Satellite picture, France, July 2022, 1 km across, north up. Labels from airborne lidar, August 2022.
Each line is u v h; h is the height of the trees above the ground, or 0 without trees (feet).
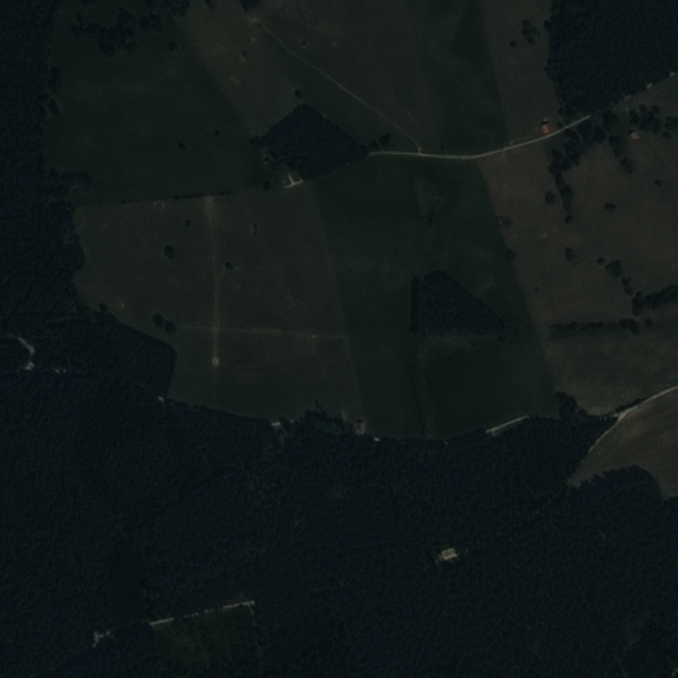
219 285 0
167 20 0
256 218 0
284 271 0
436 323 85
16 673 95
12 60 61
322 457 63
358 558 85
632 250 0
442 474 99
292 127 84
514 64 0
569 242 0
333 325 0
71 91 0
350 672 54
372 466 64
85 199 0
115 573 20
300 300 0
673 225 0
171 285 0
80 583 100
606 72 87
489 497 86
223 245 0
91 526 90
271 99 0
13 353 52
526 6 0
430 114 0
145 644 81
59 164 0
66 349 68
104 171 0
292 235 0
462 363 0
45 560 99
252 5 42
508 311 0
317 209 0
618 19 85
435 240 0
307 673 60
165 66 0
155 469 76
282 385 0
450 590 89
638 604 95
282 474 104
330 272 0
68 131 0
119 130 0
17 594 105
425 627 65
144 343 93
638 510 111
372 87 0
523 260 0
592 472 0
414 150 0
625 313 0
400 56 0
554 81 52
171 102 0
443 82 0
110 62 0
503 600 92
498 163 0
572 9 60
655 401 0
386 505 87
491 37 0
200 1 0
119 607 20
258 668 36
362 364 0
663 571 90
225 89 0
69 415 72
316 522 81
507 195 0
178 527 92
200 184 0
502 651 100
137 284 0
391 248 0
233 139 0
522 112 0
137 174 0
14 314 44
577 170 0
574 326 28
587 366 0
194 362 0
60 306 48
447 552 0
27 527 94
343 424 69
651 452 0
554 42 19
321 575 80
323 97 0
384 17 0
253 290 0
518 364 0
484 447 85
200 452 49
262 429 99
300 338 0
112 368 74
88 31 50
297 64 0
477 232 0
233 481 99
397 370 0
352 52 0
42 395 80
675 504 57
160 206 0
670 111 0
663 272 0
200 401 0
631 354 0
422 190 0
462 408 0
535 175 0
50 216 86
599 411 0
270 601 80
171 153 0
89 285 0
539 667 95
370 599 89
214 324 0
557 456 59
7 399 100
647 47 75
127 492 70
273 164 19
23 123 69
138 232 0
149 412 69
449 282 78
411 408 0
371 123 0
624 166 25
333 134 80
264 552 85
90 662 105
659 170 0
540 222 0
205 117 0
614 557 100
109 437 65
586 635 86
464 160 0
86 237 0
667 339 0
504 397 0
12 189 75
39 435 85
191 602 79
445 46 0
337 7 0
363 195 0
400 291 0
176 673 24
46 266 53
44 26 75
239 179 0
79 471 83
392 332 0
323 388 0
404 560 101
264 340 0
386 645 112
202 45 0
